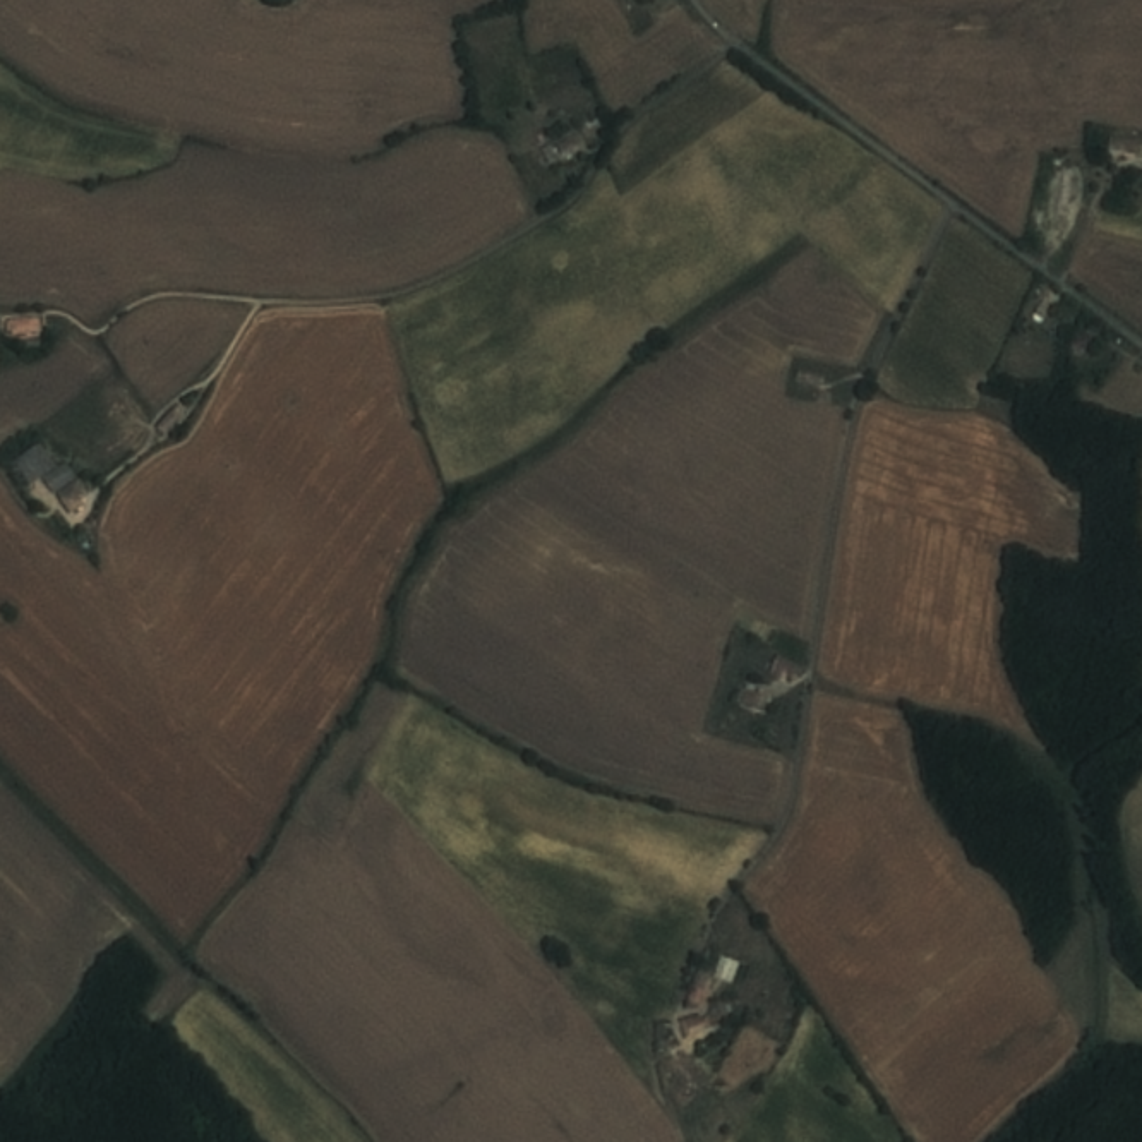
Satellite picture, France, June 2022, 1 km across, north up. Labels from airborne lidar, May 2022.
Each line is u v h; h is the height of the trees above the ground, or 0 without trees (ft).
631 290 0
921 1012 0
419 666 0
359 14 0
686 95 0
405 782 0
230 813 0
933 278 0
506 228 0
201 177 0
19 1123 50
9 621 21
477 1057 0
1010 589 47
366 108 0
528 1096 0
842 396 0
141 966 38
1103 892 53
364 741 0
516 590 0
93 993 43
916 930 0
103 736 0
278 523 0
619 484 0
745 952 0
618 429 0
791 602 0
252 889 0
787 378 0
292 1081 0
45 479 0
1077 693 30
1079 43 0
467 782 0
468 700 0
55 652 0
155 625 0
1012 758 53
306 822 0
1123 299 0
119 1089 52
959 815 55
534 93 0
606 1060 0
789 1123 0
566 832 0
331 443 0
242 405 0
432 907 0
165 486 0
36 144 0
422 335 0
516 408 0
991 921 0
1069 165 0
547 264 0
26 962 0
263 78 0
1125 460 61
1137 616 64
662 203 0
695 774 0
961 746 50
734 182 0
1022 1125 36
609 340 0
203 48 0
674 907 0
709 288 0
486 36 0
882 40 0
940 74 0
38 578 0
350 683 0
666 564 0
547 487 0
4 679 0
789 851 0
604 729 0
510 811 0
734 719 0
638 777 0
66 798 0
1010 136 0
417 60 0
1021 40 0
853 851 0
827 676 0
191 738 0
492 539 0
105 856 0
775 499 0
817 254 0
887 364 0
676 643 0
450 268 0
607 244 0
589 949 0
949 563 0
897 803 0
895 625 0
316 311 0
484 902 0
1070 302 24
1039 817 58
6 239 0
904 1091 0
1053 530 0
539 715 0
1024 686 36
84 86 0
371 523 0
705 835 0
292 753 0
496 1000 0
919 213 0
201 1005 0
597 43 0
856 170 0
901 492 0
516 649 0
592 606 0
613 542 0
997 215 0
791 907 0
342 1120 0
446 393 0
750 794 0
